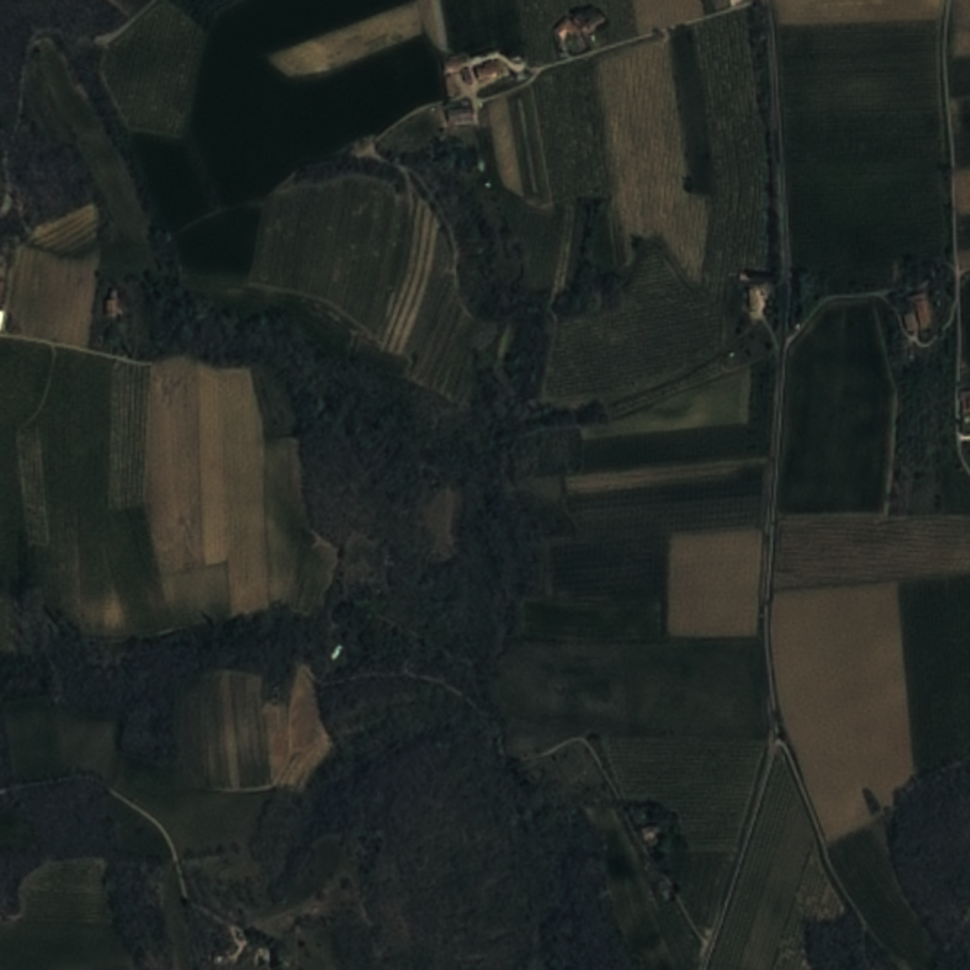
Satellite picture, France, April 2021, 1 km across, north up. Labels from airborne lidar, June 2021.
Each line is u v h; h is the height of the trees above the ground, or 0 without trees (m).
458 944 12
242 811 0
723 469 0
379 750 29
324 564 0
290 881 14
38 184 16
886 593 0
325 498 10
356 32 0
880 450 0
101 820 17
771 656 0
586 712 0
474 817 8
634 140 0
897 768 0
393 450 7
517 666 0
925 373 8
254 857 10
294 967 9
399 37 0
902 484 7
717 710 0
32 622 34
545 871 21
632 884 0
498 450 15
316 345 9
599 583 7
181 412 0
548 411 11
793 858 0
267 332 23
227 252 0
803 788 0
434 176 18
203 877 16
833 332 0
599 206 14
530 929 12
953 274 8
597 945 26
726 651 0
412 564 15
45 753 0
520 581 6
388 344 0
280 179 0
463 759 14
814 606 0
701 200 0
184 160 0
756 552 0
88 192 14
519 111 0
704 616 0
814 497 0
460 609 20
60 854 14
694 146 0
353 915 12
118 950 0
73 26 15
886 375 0
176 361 0
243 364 13
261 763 0
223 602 0
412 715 13
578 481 0
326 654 22
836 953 23
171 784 0
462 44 0
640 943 0
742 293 0
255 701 0
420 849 7
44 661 22
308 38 0
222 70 0
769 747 0
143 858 7
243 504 0
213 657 22
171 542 0
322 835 10
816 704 0
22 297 0
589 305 24
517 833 13
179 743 12
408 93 0
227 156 0
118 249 0
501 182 0
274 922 0
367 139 0
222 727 0
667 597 0
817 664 0
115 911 17
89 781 13
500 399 30
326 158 0
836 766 0
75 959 0
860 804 0
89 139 0
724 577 0
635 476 0
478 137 0
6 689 11
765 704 0
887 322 7
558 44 7
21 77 21
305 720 0
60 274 0
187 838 0
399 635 12
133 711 22
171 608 0
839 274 0
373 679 13
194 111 0
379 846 10
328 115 0
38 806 14
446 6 0
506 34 0
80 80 17
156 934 18
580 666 0
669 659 0
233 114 0
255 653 20
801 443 0
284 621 17
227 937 9
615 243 0
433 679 23
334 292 0
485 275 23
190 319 26
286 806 11
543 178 0
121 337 8
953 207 6
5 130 21
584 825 19
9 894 15
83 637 14
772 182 8
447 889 6
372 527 9
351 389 23
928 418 7
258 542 0
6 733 12
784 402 0
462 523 13
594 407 10
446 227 9
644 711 0
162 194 0
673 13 0
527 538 24
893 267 0
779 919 0
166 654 18
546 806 7
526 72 8
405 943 10
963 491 0
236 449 0
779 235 20
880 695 0
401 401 10
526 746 0
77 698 18
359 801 15
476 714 21
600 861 17
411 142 0
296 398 15
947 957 17
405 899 9
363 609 5
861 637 0
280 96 0
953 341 10
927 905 0
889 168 0
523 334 12
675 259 0
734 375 0
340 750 14
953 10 0
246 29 0
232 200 0
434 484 7
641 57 0
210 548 0
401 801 16
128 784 0
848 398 0
